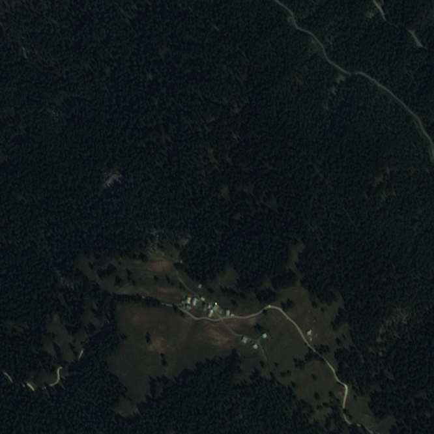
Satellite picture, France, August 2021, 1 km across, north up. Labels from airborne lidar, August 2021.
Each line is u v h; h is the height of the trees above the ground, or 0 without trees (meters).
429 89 25
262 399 15
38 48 14
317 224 7
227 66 22
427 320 18
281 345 0
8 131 21
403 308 10
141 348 0
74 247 20
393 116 9
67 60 14
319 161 24
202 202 22
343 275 24
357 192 26
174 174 18
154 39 27
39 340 24
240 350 0
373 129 15
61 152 23
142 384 0
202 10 23
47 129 24
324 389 0
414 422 16
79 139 20
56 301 16
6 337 24
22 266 22
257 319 0
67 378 0
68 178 23
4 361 21
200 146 26
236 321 0
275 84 25
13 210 28
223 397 14
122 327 0
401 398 20
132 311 0
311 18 16
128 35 28
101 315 17
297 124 17
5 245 14
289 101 17
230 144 16
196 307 0
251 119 21
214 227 8
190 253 16
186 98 25
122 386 18
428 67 23
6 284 19
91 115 21
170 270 0
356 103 15
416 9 18
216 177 20
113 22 20
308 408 23
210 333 0
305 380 0
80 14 23
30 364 14
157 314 0
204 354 0
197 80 27
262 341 0
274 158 20
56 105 16
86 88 18
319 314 0
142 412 18
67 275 17
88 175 20
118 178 0
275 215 17
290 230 26
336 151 24
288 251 22
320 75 19
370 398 0
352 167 28
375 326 14
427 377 22
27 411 20
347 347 0
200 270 14
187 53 20
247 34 18
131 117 23
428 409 19
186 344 0
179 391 24
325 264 26
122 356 0
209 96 31
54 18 15
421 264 22
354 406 0
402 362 17
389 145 19
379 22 9
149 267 0
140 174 20
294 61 21
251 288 26
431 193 19
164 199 22
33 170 24
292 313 0
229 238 9
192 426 17
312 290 23
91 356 22
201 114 26
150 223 15
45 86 21
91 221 24
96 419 16
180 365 0
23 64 15
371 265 20
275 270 28
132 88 26
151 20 28
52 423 13
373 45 23
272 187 14
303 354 0
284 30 18
